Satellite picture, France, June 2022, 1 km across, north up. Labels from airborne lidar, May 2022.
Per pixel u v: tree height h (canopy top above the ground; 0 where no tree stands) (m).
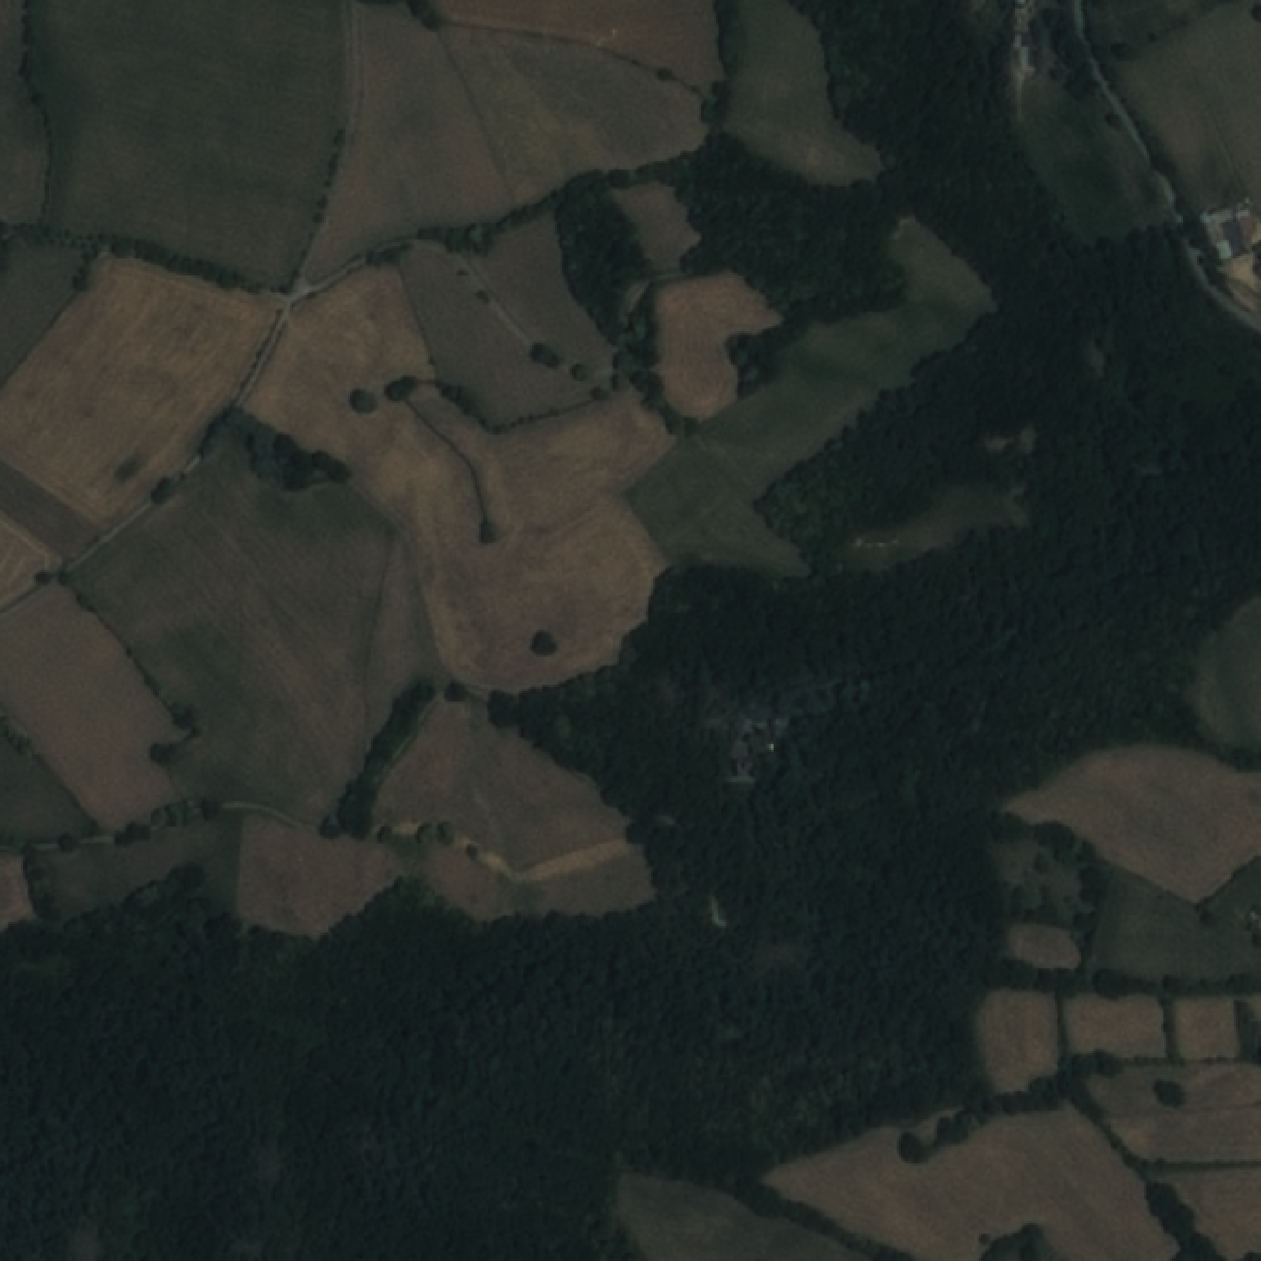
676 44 0
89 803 0
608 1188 13
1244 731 0
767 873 8
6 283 0
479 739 0
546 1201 19
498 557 0
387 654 0
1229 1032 0
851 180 0
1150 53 0
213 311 0
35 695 0
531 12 0
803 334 21
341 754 0
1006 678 22
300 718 0
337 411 0
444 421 0
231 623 0
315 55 0
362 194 0
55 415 0
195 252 0
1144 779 0
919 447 29
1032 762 21
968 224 17
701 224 21
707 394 0
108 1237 6
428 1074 25
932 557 14
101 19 0
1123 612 24
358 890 0
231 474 0
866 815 6
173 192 0
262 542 0
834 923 21
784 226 21
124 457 0
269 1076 14
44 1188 17
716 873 16
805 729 18
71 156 0
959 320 0
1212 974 0
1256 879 0
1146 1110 0
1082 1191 0
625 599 0
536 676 0
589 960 24
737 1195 15
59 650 0
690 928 9
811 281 17
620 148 0
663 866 18
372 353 0
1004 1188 0
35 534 0
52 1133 29
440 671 0
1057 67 7
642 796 16
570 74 0
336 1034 18
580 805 0
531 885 0
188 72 0
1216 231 0
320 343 0
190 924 19
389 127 0
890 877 23
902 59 22
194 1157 23
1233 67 0
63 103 0
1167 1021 6
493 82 0
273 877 0
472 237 14
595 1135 22
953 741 22
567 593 0
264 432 17
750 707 17
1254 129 0
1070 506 14
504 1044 20
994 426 22
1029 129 0
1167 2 0
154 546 0
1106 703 17
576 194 13
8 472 0
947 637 20
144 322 0
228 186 0
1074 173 0
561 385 0
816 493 19
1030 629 21
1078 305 21
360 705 0
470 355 0
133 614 0
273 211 0
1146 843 0
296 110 0
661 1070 23
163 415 0
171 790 0
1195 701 0
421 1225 17
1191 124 0
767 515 14
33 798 0
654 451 0
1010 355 21
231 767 0
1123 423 19
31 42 10
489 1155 24
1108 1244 0
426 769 0
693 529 0
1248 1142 0
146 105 0
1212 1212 0
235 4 0
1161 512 27
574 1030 21
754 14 0
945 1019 9
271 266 0
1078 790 0
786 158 0
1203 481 29
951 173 21
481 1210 19
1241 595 18
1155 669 15
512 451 0
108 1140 20
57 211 0
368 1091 20
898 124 23
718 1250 0
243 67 0
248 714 0
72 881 0
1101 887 14
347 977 19
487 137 0
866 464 20
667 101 0
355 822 19
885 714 22
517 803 0
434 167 0
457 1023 26
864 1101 15
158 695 11
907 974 13
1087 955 12
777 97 0
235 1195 25
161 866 0
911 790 18
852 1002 19
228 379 0
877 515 15
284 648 0
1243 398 9
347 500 0
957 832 16
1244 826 0
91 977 23
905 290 16
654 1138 15
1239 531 19
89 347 0
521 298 0
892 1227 0
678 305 0
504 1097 21
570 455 0
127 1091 30
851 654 24
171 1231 25
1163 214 0
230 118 0
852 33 15
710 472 0
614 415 0
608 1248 13
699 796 21
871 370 0
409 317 0
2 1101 25
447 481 0
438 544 0
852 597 20
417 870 0
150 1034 26
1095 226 0
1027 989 17
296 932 0
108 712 0
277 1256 15
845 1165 0
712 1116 18
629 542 0
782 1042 21
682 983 22
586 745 6
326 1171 23
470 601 0
